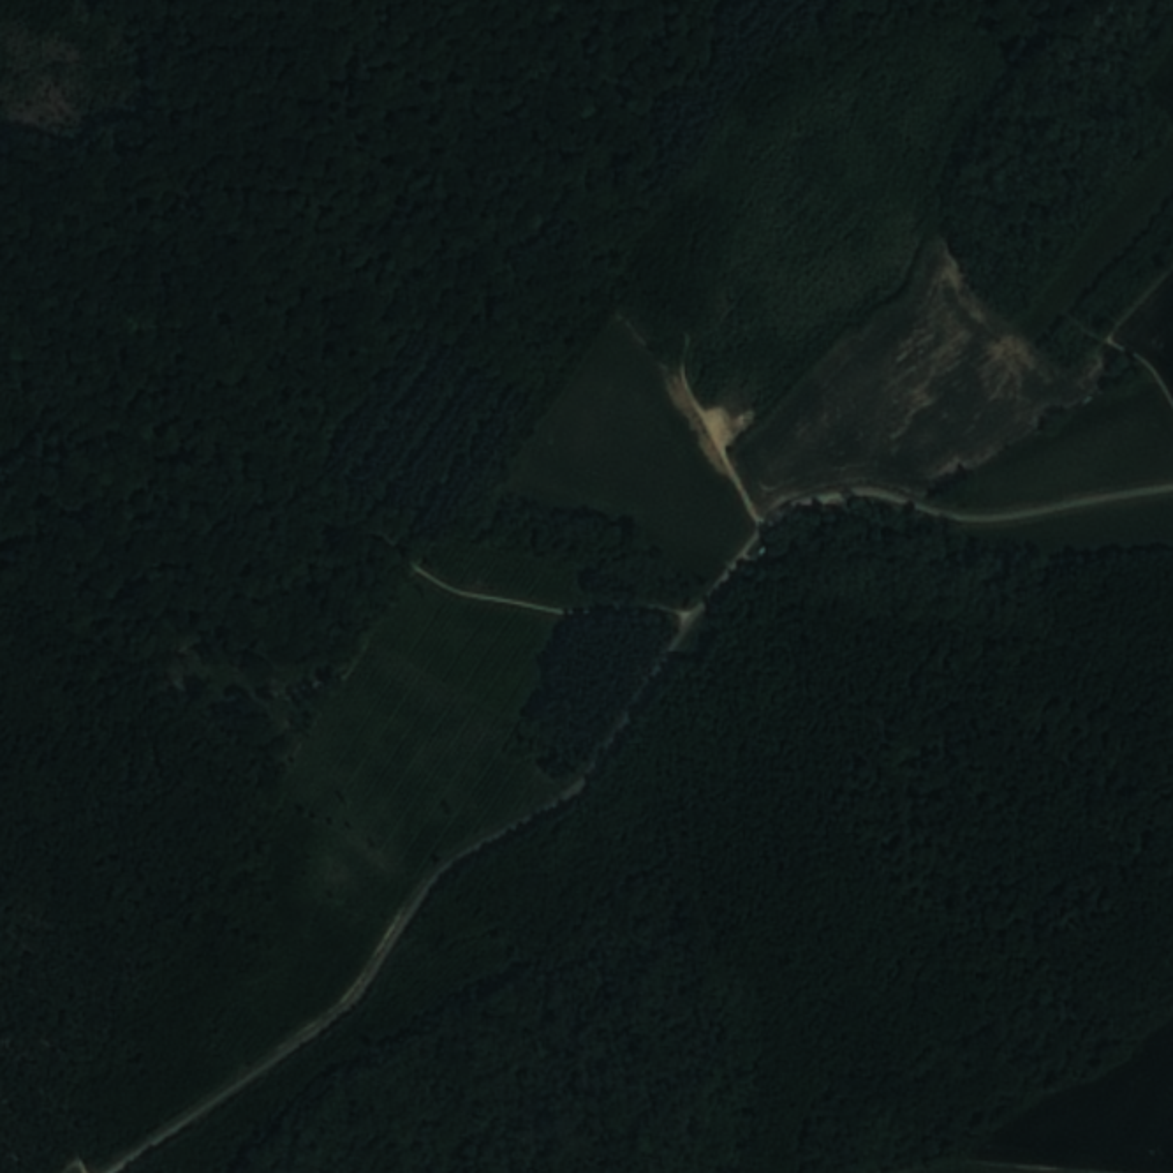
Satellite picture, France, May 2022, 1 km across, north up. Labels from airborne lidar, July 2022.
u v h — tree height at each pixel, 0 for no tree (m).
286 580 28
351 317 30
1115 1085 0
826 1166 17
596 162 30
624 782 14
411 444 15
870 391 0
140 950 19
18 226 23
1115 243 0
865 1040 17
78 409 26
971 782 26
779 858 19
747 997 22
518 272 29
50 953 14
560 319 24
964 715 24
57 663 20
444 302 29
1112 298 13
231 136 24
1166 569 17
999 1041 18
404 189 28
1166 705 25
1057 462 0
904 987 21
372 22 22
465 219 30
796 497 0
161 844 17
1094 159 28
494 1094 26
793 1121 11
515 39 27
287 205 29
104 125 25
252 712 31
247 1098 8
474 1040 29
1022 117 15
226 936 10
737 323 6
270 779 22
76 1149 11
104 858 18
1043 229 30
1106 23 32
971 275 24
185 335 24
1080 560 17
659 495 0
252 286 31
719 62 27
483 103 29
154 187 22
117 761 20
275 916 8
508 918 10
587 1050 33
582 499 0
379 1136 17
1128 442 0
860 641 21
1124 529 0
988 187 29
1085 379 0
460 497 27
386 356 22
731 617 19
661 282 15
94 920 17
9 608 14
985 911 24
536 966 15
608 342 0
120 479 36
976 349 0
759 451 0
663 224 13
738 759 17
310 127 30
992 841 19
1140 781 28
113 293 30
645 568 24
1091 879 24
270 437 23
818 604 20
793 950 18
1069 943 21
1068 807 18
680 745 17
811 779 19
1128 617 14
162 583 28
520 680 0
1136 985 13
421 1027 18
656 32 28
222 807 18
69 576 17
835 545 25
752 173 9
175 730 18
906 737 25
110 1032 11
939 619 20
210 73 28
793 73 11
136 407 26
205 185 21
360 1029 7
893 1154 9
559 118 30
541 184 24
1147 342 0
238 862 17
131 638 27
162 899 18
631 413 0
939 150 11
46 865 17
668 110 27
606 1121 22
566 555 11
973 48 9
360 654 6
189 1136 10
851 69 9
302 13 25
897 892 19
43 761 17
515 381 21
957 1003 20
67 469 30
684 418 0
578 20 29
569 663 24
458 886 17
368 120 28
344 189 26
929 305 0
